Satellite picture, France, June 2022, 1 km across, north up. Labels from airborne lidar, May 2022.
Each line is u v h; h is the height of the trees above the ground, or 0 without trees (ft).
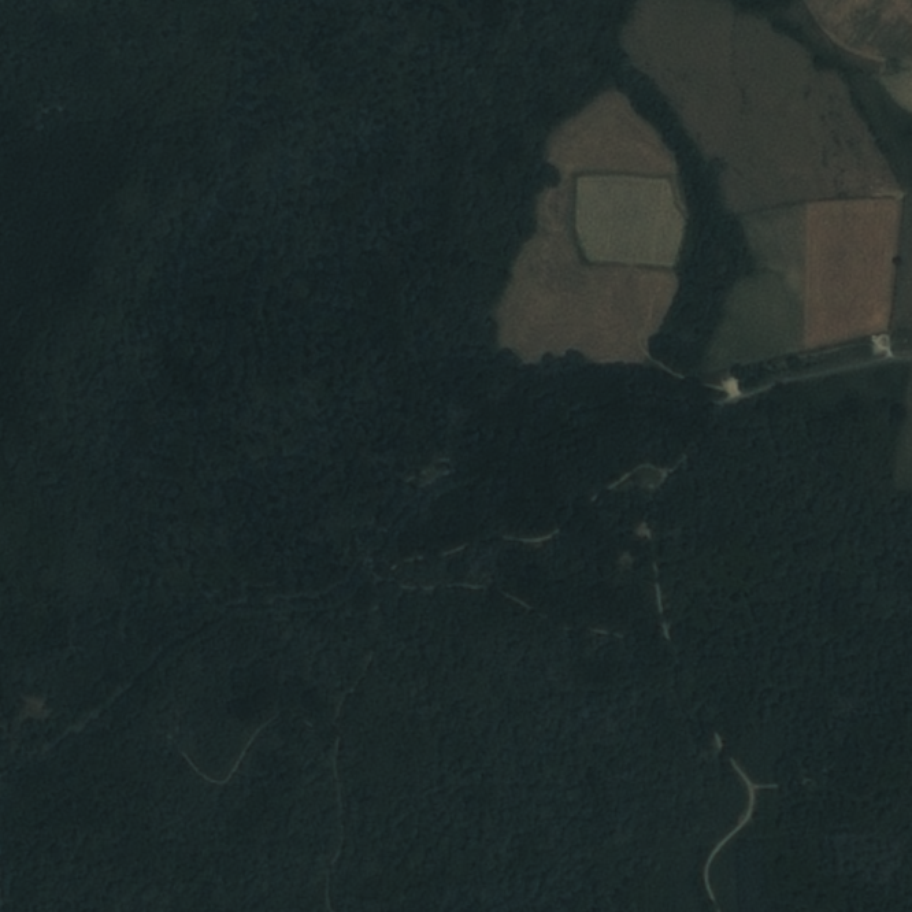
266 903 33
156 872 54
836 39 0
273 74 84
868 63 0
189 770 19
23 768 50
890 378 0
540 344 0
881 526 73
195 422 88
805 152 0
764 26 0
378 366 94
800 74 0
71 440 64
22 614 49
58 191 61
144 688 52
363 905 49
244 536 107
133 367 69
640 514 49
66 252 59
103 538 48
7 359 57
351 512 25
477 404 93
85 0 75
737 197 0
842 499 28
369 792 30
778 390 43
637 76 34
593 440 33
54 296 41
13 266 57
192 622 72
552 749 59
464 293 31
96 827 76
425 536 64
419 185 54
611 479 34
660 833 31
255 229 69
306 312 28
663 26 0
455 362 97
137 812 56
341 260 79
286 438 70
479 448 78
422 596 42
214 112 32
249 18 76
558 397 75
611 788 40
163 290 29
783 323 0
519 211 63
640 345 0
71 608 25
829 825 43
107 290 66
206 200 66
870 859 38
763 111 0
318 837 36
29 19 64
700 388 62
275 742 56
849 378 0
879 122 0
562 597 37
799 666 44
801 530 57
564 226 0
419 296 79
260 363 99
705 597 48
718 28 0
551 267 0
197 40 56
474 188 55
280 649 26
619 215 0
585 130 0
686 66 0
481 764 71
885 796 44
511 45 38
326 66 42
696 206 32
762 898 26
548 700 44
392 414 94
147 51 85
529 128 77
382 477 74
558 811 51
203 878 26
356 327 107
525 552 44
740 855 26
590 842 47
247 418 93
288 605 60
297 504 83
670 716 38
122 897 43
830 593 54
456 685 25
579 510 60
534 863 26
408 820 52
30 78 62
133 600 22
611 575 39
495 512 67
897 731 53
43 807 96
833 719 46
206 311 41
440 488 71
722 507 55
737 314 0
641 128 0
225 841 59
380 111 63
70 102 71
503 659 23
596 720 53
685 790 53
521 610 32
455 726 59
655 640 56
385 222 31
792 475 42
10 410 38
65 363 28
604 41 62
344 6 90
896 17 0
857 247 0
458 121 49
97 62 87
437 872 47
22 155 51
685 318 35
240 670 36
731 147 0
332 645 33
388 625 44
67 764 47
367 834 41
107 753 73
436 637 54
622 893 49
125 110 45
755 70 0
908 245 0
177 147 68
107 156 57
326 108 21
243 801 74
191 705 20
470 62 26
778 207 0
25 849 61
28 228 58
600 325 0
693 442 41
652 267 0
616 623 31
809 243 0
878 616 62
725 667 55
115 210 33
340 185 71
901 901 88
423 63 66
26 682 58
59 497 90
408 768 26
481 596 41
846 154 0
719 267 44
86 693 58
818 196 0
